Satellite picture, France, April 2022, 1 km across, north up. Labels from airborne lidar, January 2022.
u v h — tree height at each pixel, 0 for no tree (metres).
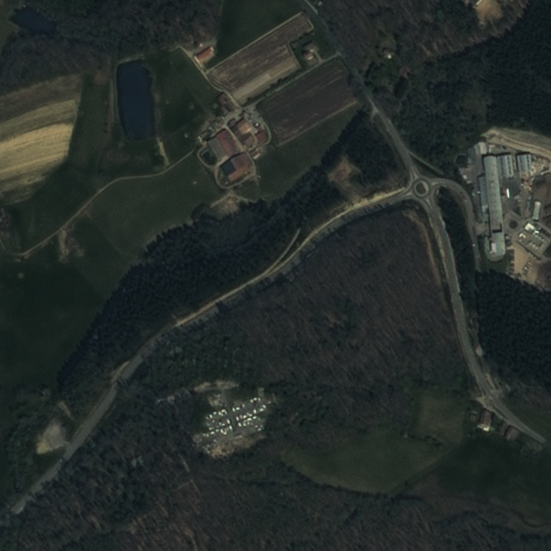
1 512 17
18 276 0
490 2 0
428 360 29
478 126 12
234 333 27
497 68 31
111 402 0
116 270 0
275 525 27
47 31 0
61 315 0
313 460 0
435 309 26
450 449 0
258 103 0
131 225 0
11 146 0
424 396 0
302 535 26
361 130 28
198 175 0
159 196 0
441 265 0
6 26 0
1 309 0
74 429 0
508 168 0
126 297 22
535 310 27
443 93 21
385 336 28
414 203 0
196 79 0
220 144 0
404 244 27
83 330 0
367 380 23
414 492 0
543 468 0
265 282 0
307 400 13
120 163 0
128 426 24
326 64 0
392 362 24
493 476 0
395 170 22
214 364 14
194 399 19
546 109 23
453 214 25
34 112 0
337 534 23
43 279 0
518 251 0
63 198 0
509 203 0
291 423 17
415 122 11
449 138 18
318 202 27
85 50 35
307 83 0
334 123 0
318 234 0
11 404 0
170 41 28
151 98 0
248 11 0
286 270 0
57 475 0
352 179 0
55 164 0
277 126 0
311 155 0
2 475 0
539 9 25
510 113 23
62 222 0
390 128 0
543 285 0
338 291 25
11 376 0
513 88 26
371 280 26
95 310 0
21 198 0
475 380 0
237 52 0
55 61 35
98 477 14
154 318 37
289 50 0
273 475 27
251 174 0
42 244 0
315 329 24
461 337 0
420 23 25
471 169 0
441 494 0
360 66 23
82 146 0
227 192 0
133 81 0
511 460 0
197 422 22
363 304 24
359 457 0
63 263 0
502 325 36
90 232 0
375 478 0
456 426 0
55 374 0
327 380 25
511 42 27
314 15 0
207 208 0
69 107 0
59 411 0
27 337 0
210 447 0
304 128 0
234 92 0
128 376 0
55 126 0
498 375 20
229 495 28
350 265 28
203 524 25
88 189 0
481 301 20
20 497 19
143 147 0
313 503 26
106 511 33
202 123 0
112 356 31
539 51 27
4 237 0
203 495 27
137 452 29
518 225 0
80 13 17
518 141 0
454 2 25
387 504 22
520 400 27
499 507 0
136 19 25
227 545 29
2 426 0
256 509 26
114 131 0
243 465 27
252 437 0
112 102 0
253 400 0
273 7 0
